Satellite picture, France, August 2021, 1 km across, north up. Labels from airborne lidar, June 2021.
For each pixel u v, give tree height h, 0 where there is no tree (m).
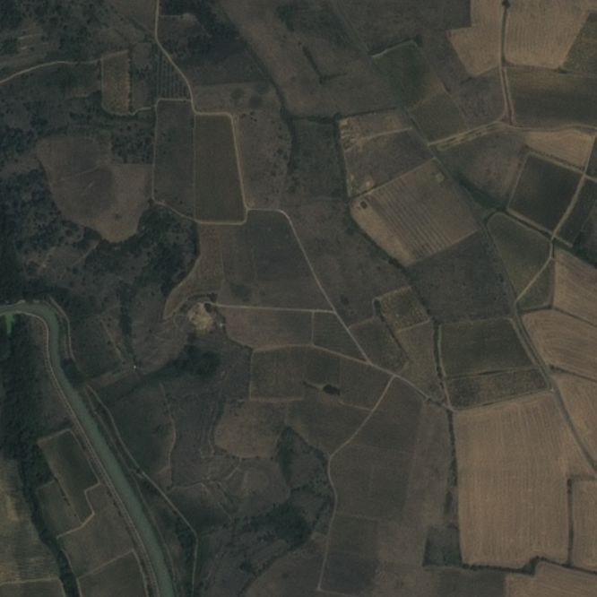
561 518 0
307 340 0
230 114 0
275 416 0
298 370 0
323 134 0
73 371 25
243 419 0
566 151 0
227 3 0
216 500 0
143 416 0
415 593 0
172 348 0
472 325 0
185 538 10
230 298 0
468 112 0
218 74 0
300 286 0
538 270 0
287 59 0
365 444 0
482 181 0
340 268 0
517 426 0
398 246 0
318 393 0
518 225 0
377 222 0
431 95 0
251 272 0
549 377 0
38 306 0
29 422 15
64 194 0
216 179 0
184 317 0
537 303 0
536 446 0
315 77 0
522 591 0
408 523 0
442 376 7
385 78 0
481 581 0
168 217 7
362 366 0
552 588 0
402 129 0
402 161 0
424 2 0
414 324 0
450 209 0
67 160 0
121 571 0
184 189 0
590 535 0
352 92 0
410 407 0
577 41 0
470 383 0
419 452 0
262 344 0
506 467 0
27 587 0
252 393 0
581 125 0
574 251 5
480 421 0
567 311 0
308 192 0
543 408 0
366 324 0
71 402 0
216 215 0
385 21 0
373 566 0
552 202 0
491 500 0
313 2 0
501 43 0
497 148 0
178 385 0
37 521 12
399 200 0
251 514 0
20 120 0
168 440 0
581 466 0
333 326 0
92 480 0
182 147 0
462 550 0
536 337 0
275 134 0
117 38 0
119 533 0
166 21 0
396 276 0
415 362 0
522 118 0
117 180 0
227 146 0
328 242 0
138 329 0
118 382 0
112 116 7
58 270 0
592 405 0
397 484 0
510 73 0
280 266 0
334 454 0
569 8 0
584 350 0
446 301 0
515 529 0
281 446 10
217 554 0
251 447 0
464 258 0
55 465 0
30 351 6
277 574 0
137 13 0
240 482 0
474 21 0
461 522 0
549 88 0
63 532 0
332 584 0
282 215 0
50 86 9
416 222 0
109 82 0
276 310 0
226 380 0
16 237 6
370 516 0
